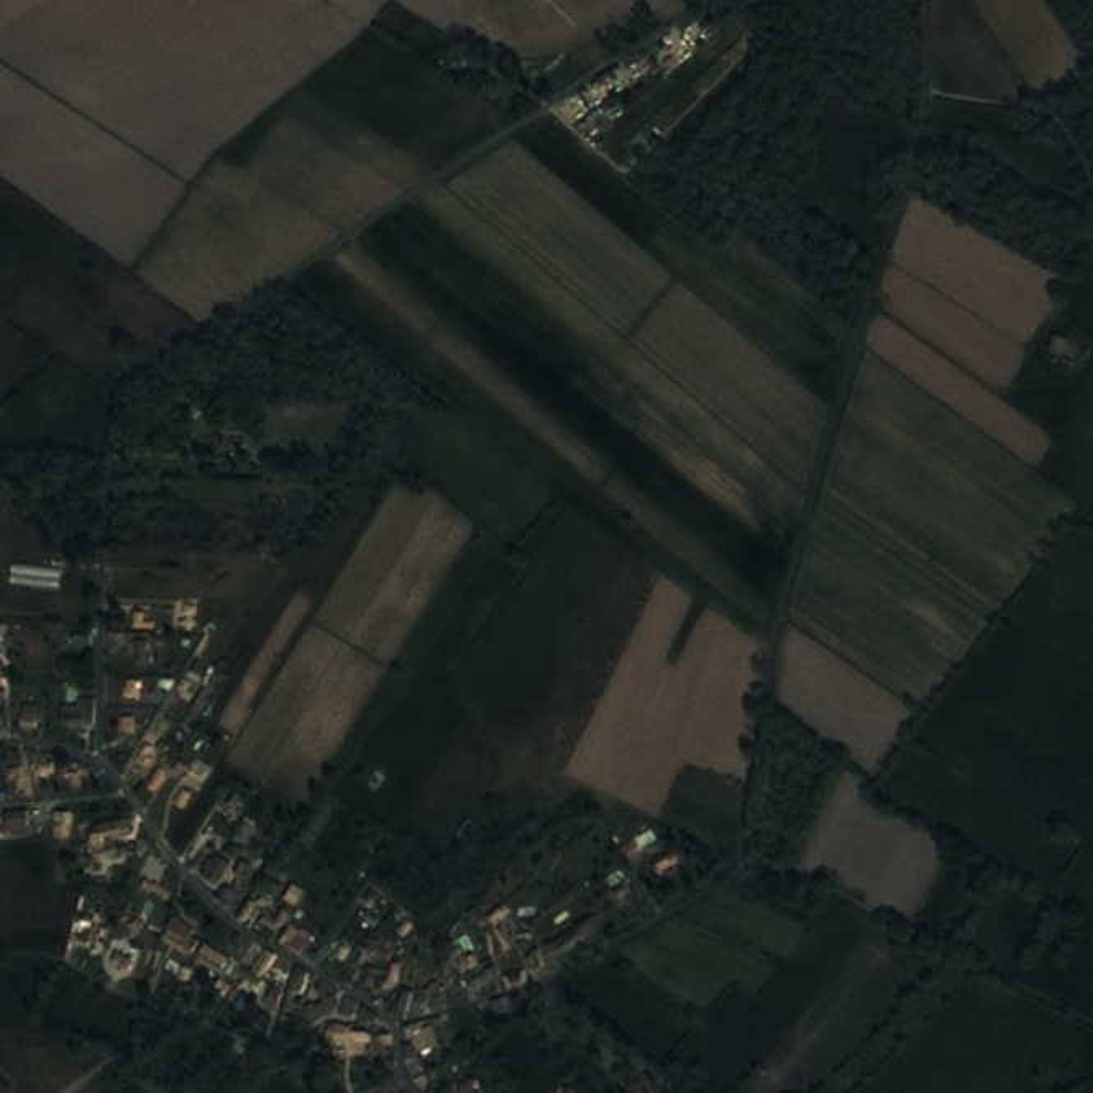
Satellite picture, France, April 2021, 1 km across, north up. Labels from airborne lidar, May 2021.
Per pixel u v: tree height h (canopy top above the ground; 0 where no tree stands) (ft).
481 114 0
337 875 35
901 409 0
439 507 0
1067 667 0
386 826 41
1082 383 0
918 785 0
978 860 50
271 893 32
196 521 19
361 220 0
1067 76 0
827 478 0
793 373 0
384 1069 26
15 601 0
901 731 22
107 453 26
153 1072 35
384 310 0
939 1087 0
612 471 0
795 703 0
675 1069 35
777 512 0
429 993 0
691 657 0
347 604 0
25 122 0
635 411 0
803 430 0
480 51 81
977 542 0
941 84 0
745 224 30
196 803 0
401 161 0
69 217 0
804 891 79
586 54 0
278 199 0
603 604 0
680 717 0
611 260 0
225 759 0
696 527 0
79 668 35
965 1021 0
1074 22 43
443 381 0
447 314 0
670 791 0
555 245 0
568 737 0
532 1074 0
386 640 0
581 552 0
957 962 54
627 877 39
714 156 50
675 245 0
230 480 23
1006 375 0
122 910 41
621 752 0
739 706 0
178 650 0
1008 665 0
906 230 0
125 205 0
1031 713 0
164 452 73
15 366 0
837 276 72
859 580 0
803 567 0
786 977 0
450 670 0
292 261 0
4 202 0
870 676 0
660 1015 0
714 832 0
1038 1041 0
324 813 0
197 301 0
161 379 63
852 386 0
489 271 0
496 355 0
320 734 0
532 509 0
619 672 0
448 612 0
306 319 59
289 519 38
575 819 0
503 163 0
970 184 60
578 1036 63
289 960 0
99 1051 58
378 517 0
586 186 0
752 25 34
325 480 40
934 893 0
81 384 0
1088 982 0
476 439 0
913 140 21
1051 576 0
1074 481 0
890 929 51
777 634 0
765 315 0
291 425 0
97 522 78
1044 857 0
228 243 0
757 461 0
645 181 38
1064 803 0
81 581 0
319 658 0
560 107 0
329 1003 0
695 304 0
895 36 46
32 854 0
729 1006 0
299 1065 63
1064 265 31
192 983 20
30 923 0
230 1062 48
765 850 58
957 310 0
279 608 0
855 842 0
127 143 0
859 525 0
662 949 0
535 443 0
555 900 40
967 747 0
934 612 0
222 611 0
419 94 0
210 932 25
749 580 0
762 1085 0
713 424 0
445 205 0
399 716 0
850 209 0
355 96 0
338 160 0
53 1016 0
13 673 28
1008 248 28
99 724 0
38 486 67
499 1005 0
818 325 0
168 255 0
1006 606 31
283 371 61
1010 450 0
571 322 0
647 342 0
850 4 41
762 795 47
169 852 0
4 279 0
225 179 0
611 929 25
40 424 0
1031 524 0
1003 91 0
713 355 0
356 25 0
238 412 65
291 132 0
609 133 0
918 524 0
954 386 0
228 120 0
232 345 46
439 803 0
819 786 56
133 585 0
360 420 53
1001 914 0
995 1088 0
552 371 0
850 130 0
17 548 0
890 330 0
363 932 18
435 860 65
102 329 0
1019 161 0
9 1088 32
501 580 0
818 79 59
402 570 0
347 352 68
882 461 0
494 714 0
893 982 0
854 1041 0
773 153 71
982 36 0
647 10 56
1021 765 0
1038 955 56
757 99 69
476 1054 50
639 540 0
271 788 0
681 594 0
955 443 0
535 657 0
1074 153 44
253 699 0
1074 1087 35
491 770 0
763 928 0
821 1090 37
